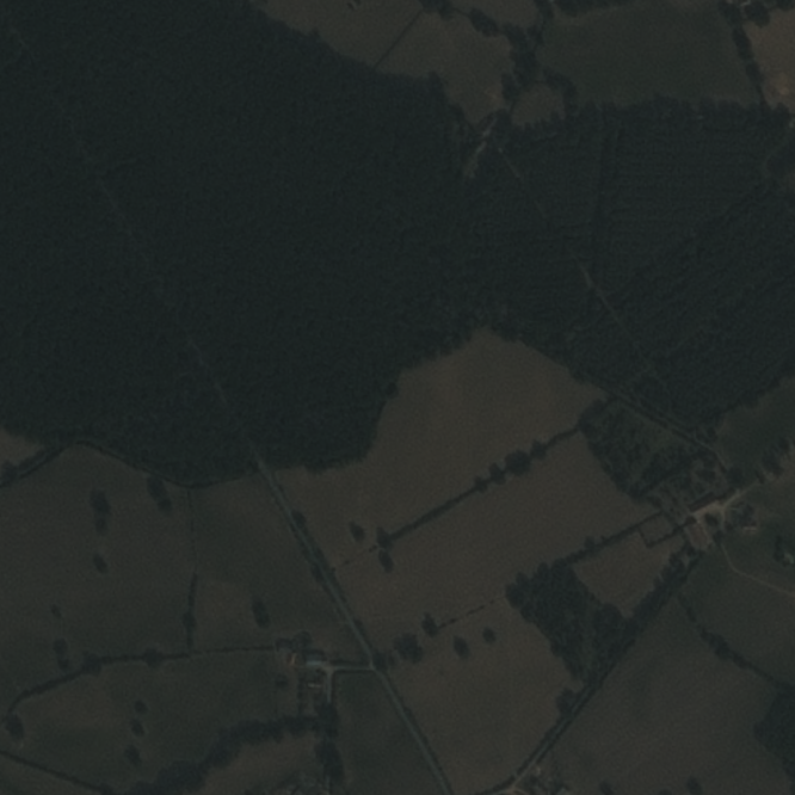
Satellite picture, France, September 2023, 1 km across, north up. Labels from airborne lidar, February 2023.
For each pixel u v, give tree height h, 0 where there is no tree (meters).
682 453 6
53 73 28
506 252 9
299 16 0
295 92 30
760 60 0
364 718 0
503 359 0
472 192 17
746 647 0
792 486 0
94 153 27
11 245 29
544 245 11
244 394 27
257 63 30
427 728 0
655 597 9
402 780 0
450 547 0
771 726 14
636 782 0
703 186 15
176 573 0
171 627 0
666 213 13
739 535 0
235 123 30
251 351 27
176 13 29
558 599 12
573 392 0
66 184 28
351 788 0
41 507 0
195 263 30
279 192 32
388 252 29
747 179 12
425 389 0
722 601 0
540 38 18
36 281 31
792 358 20
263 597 0
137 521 0
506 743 0
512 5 0
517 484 0
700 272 12
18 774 0
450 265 29
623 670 0
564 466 0
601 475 0
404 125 30
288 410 28
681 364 11
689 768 0
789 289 13
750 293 12
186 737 0
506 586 0
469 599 0
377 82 25
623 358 13
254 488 0
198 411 28
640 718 0
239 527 0
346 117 32
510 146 21
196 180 30
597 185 15
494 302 22
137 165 29
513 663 0
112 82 31
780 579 0
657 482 10
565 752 0
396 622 0
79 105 26
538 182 12
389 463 0
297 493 0
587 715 0
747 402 18
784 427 0
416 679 0
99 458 0
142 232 24
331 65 29
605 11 0
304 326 26
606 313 13
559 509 0
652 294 13
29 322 28
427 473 0
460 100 0
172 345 25
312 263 31
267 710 0
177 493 0
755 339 14
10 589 0
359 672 0
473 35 0
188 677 0
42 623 0
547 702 0
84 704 0
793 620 0
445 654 0
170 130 31
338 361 27
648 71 0
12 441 0
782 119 16
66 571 0
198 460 25
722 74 0
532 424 0
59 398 28
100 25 29
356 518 0
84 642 0
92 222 28
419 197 33
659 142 16
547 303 9
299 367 27
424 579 0
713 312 10
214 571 0
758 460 0
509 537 0
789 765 13
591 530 0
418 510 0
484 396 0
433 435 0
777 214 13
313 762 0
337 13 0
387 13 0
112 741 0
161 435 29
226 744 21
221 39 31
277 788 0
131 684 0
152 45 31
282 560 0
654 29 0
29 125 28
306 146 32
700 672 0
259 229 30
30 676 0
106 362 29
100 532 13
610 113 18
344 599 9
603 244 14
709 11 0
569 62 0
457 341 18
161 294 26
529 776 0
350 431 27
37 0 30
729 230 11
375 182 30
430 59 0
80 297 29
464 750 0
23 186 28
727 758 0
